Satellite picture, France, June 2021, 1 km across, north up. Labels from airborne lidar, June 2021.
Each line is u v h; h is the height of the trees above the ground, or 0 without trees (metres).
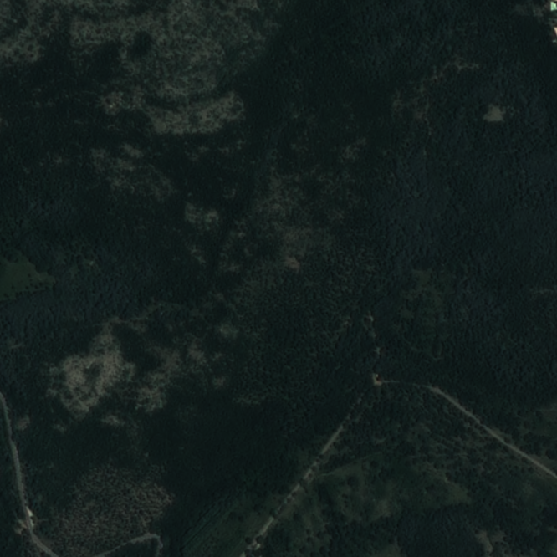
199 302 10
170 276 7
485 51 8
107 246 7
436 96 9
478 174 11
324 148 6
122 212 8
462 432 6
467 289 14
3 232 6
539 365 8
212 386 7
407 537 12
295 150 7
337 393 18
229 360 9
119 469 8
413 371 12
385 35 7
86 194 7
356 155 6
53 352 8
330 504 13
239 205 15
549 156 15
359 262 13
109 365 0
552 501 6
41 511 11
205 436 13
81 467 9
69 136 6
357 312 10
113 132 7
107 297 12
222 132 7
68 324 6
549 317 9
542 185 16
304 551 12
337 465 10
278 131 11
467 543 12
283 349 13
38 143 8
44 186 13
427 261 14
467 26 6
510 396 14
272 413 17
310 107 10
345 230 11
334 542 13
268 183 6
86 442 9
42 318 8
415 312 8
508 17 8
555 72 9
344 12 8
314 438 13
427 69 6
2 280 0
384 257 8
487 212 12
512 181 9
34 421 8
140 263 10
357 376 15
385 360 12
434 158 12
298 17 7
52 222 8
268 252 9
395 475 6
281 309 11
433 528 11
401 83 9
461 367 13
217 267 9
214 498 12
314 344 15
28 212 10
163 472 10
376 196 15
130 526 9
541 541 16
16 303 13
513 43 9
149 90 6
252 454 19
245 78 7
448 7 16
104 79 6
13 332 13
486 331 11
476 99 6
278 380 15
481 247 7
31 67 6
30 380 6
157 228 6
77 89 6
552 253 10
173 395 9
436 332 6
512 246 10
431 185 15
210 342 6
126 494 14
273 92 9
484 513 8
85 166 9
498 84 12
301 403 18
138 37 7
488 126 8
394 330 8
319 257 12
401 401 11
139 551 12
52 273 13
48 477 8
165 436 13
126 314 11
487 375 9
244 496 11
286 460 16
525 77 9
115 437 8
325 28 12
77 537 8
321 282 8
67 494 7
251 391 14
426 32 13
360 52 11
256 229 10
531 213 13
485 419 11
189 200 5
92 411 7
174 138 6
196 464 12
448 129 12
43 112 7
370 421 8
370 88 8
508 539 12
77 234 7
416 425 8
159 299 9
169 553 12
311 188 7
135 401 8
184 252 7
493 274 10
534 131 6
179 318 13
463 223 11
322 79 12
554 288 7
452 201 10
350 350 12
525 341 9
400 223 16
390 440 5
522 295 5
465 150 13
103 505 8
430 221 15
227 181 8
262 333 10
